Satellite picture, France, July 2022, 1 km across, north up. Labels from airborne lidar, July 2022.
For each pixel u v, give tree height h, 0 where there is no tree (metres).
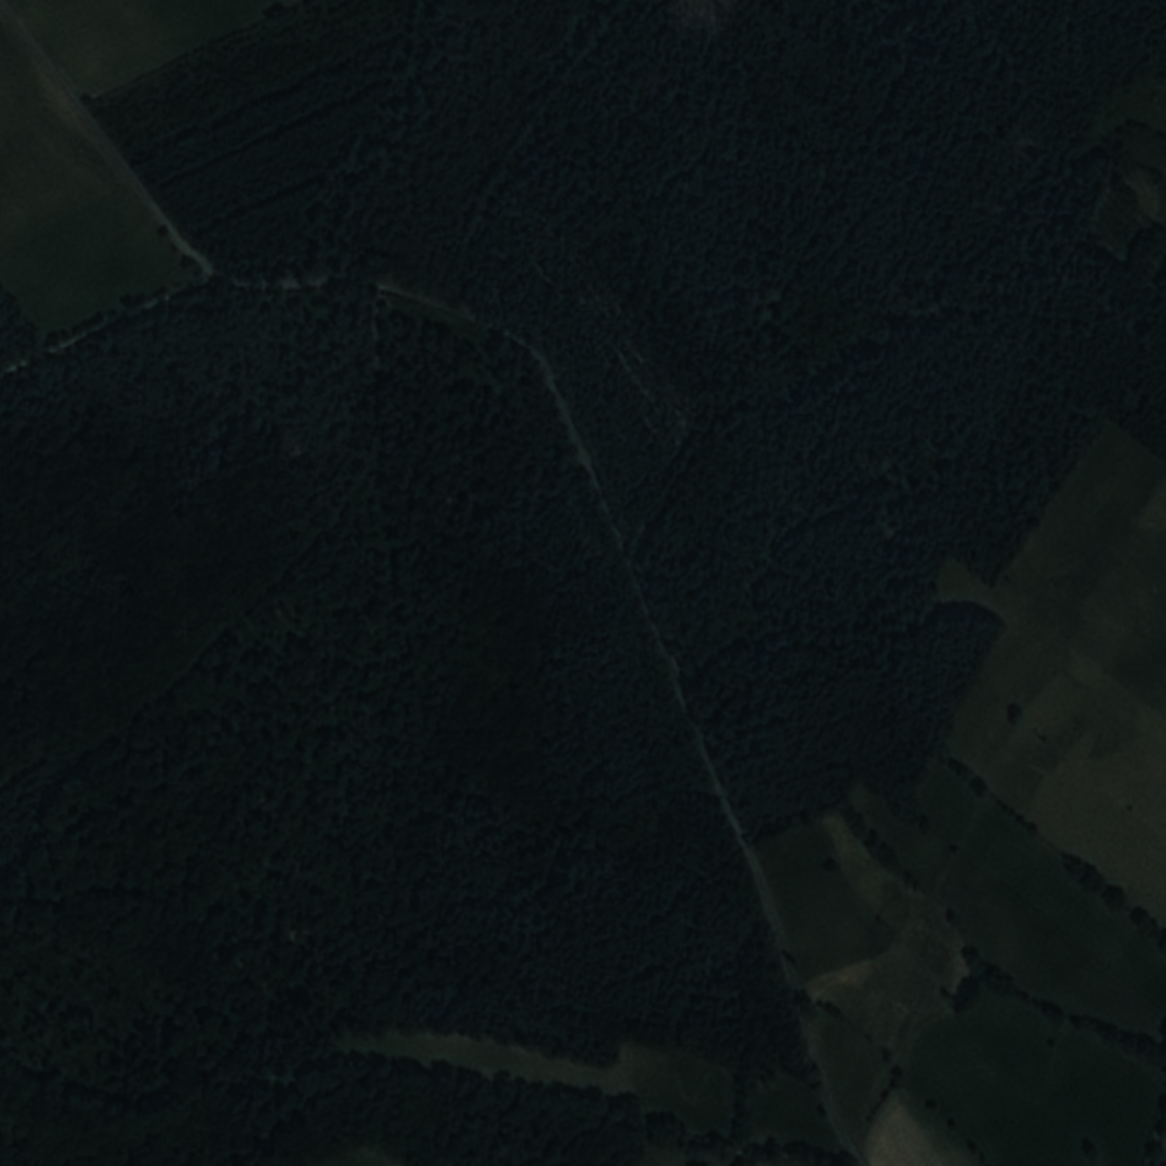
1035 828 9
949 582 0
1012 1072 0
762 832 21
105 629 22
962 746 0
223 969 29
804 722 17
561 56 18
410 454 24
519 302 17
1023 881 0
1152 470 0
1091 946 0
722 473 14
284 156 14
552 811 21
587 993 26
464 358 23
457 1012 25
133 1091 11
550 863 11
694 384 20
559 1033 18
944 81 34
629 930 20
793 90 18
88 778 27
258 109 14
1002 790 0
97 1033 21
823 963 0
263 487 21
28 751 25
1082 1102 0
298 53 7
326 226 7
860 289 27
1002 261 31
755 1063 19
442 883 21
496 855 15
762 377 19
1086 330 19
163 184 15
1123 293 15
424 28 9
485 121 17
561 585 23
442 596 25
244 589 22
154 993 26
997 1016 0
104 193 0
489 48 16
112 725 21
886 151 30
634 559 23
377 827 22
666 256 26
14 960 15
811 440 26
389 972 23
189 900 23
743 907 16
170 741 21
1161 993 0
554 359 23
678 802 21
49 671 25
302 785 16
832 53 23
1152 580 0
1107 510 0
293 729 23
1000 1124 0
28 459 24
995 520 21
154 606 24
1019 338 25
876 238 25
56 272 0
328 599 23
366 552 22
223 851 22
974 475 20
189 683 27
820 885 0
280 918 22
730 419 23
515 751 25
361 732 17
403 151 18
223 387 16
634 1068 0
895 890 0
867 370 30
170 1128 25
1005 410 17
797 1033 15
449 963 24
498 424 21
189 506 23
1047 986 0
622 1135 22
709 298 29
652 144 26
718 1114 0
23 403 24
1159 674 0
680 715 22
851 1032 0
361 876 23
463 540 25
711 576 24
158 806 21
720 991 13
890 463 7
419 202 17
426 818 27
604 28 21
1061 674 0
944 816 0
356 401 7
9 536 22
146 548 23
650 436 17
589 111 25
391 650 18
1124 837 0
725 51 22
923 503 24
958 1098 0
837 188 22
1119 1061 0
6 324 24
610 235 21
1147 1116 0
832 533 24
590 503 25
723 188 25
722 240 31
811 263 26
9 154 0
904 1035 0
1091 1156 18
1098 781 0
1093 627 0
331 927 22
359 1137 23
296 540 20
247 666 21
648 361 23
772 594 24
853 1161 14
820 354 9
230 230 18
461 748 25
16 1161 21
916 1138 0
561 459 27
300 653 20
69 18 0
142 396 22
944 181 33
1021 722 15
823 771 17
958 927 11
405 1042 0
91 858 25
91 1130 24
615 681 29
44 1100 24
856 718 17
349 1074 24
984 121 25
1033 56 23
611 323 23
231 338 17
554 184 27
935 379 26
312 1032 8
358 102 18
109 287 0
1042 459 15
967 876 0
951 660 23
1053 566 0
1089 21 23
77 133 0
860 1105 0
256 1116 27
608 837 24
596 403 21
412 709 26
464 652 26
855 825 16
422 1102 25
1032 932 0
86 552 24
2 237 0
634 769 30
